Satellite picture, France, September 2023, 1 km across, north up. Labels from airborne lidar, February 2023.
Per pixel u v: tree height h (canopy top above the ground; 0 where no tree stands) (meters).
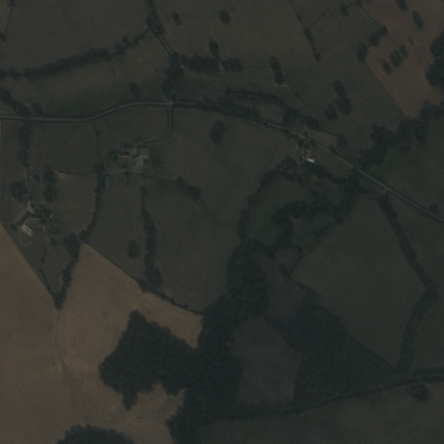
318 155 0
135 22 0
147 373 25
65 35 0
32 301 0
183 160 0
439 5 0
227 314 21
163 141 0
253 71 0
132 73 0
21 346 0
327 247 0
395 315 0
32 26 0
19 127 0
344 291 0
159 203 0
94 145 0
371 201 0
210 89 0
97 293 0
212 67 24
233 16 0
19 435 0
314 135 0
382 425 0
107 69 0
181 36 0
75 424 0
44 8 0
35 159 0
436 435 0
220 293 0
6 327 0
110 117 0
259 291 21
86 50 0
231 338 19
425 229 0
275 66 25
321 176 15
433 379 16
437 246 0
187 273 0
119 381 18
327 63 0
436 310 0
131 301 0
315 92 0
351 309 0
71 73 0
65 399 0
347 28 0
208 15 0
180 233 0
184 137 0
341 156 0
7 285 0
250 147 0
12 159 0
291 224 10
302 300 0
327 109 0
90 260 0
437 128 0
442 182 0
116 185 0
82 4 0
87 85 0
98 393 0
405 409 0
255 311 17
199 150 0
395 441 0
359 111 0
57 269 0
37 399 0
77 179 0
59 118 0
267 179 16
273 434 0
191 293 0
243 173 0
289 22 0
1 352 0
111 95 0
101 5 0
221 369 22
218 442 0
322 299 0
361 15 0
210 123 0
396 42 0
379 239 0
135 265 0
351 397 8
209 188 0
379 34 11
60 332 0
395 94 0
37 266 0
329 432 0
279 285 0
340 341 20
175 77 20
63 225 0
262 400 0
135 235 0
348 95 0
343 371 22
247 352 0
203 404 19
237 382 14
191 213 0
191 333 0
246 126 0
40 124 0
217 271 0
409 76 0
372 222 0
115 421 0
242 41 0
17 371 0
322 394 18
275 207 0
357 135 0
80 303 0
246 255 22
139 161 0
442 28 0
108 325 0
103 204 0
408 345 12
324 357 24
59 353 0
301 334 23
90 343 0
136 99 0
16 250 0
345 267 0
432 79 20
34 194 0
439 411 0
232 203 0
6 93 13
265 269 0
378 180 0
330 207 19
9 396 0
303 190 0
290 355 0
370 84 0
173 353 23
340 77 0
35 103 0
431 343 0
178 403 0
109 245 0
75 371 0
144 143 0
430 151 0
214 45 17
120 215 0
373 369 18
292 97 0
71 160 0
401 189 0
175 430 8
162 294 6
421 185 0
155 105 0
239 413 20
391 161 0
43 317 0
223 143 0
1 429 0
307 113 0
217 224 0
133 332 9
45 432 0
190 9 0
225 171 0
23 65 0
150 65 0
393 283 0
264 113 0
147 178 0
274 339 0
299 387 19
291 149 0
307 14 0
